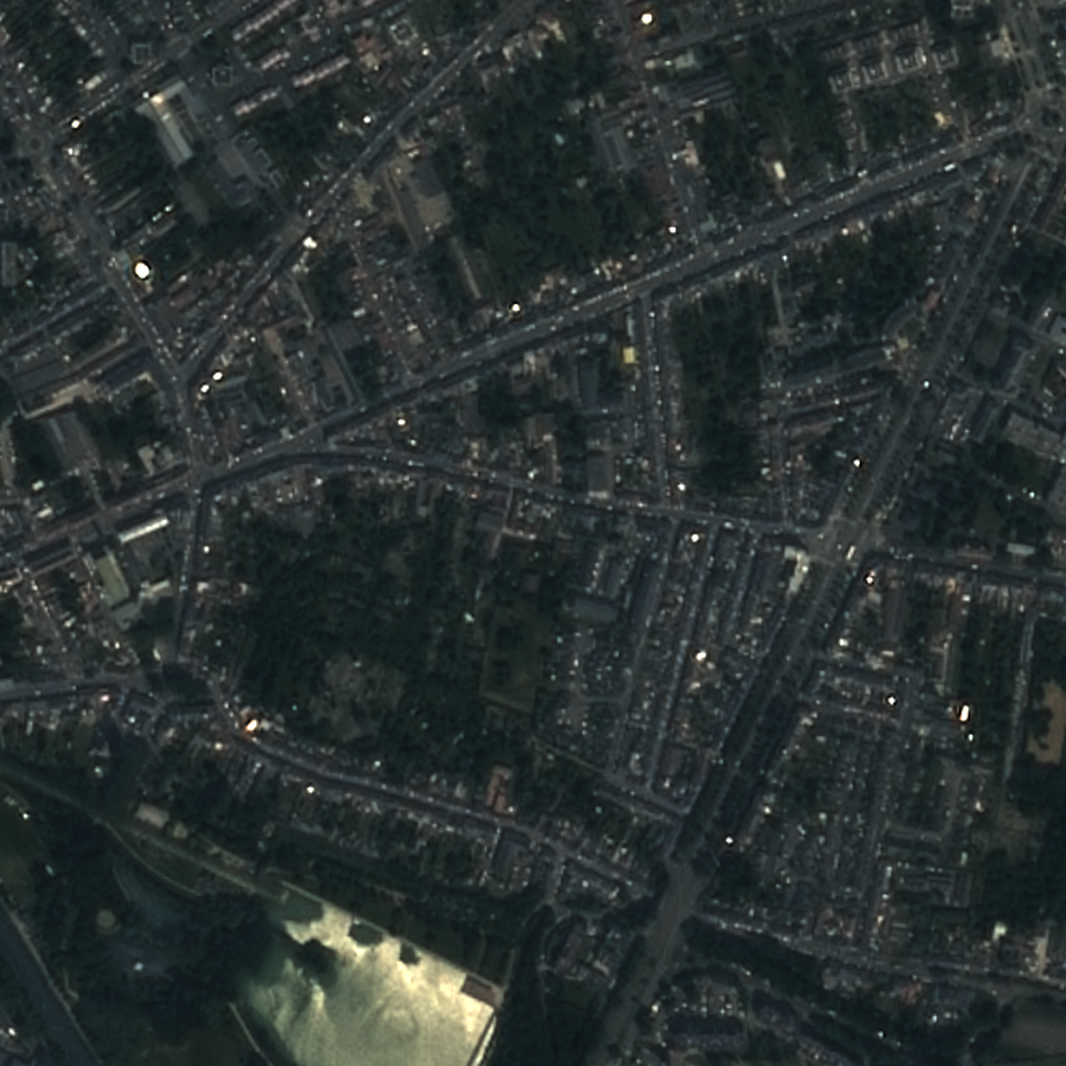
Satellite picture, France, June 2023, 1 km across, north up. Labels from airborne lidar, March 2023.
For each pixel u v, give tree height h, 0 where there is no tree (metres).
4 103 0
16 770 15
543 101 11
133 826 12
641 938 10
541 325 0
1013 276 14
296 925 0
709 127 13
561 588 10
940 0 7
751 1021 0
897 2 8
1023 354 0
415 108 0
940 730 0
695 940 11
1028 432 0
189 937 26
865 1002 6
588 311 0
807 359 12
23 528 0
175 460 0
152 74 0
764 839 0
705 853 11
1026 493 0
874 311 11
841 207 0
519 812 0
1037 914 8
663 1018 0
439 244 11
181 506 0
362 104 0
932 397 11
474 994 0
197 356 0
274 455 0
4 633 16
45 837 6
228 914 21
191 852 13
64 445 0
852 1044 14
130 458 6
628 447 0
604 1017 8
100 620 0
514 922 13
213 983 22
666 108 0
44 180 0
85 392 0
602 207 13
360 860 11
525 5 0
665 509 0
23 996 16
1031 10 0
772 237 0
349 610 11
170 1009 31
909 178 0
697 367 6
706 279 0
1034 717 15
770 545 0
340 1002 0
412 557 8
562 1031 15
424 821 0
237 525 6
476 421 0
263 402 9
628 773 0
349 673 0
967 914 6
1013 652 7
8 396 16
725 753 12
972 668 9
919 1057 32
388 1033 0
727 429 10
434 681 10
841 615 0
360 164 0
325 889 5
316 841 11
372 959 0
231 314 0
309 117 9
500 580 10
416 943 0
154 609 17
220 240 0
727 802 11
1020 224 9
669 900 0
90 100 0
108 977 17
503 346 0
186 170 10
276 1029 0
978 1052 17
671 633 0
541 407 6
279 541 9
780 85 10
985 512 0
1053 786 18
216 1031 0
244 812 6
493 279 0
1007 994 0
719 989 0
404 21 0
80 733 0
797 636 0
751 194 17
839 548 0
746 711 12
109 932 0
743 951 17
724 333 12
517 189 9
